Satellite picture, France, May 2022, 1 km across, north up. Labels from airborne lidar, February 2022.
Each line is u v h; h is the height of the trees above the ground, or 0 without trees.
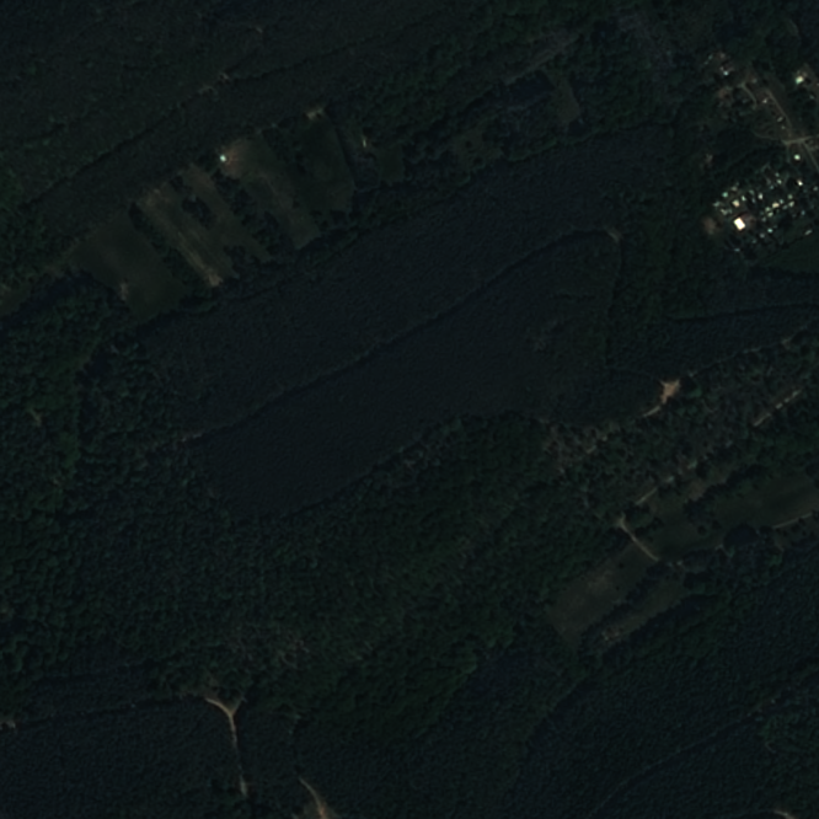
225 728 17
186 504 19
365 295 19
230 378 20
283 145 10
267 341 20
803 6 24
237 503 19
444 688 17
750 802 13
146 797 27
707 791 11
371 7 20
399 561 26
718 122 0
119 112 20
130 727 23
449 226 18
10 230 30
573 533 28
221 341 19
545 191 20
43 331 32
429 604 28
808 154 0
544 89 35
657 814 17
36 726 22
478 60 27
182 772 24
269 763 24
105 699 22
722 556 15
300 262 23
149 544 28
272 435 18
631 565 0
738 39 26
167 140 24
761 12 30
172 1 23
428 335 17
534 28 18
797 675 15
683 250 17
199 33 21
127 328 7
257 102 23
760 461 27
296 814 33
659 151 21
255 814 32
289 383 18
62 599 38
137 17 21
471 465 25
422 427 16
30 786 19
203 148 25
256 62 17
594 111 28
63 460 34
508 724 25
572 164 20
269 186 0
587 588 0
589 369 18
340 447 20
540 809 23
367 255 21
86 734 25
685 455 32
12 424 29
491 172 19
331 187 0
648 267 21
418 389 19
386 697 35
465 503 23
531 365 21
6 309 0
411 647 25
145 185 21
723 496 19
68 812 22
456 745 24
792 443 28
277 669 24
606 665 21
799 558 17
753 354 7
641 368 18
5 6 21
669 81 23
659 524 20
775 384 27
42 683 23
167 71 19
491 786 31
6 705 20
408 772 24
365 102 25
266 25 24
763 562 25
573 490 30
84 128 17
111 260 0
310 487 18
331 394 18
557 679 24
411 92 29
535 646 19
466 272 19
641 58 27
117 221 0
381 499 23
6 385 34
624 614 17
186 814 30
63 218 23
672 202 21
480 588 28
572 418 17
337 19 19
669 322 21
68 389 31
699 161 0
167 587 24
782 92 0
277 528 27
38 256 31
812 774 25
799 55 11
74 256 0
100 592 31
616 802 13
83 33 16
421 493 27
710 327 22
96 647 19
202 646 22
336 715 37
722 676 19
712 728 18
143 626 28
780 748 22
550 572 18
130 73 19
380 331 17
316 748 21
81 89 18
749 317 18
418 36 25
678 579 16
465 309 17
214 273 0
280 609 20
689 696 20
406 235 18
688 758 17
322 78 24
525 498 29
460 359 21
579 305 18
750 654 15
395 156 0
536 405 21
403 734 19
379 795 19
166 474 31
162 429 29
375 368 19
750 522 0
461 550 24
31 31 22
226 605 27
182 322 22
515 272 20
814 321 15
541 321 14
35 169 15
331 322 21
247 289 20
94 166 23
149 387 34
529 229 20
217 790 33
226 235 0
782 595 15
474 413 15
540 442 24
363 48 24
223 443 19
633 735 18
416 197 23
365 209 20
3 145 19
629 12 29
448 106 28
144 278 0
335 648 26
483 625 32
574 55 9
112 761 22
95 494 33
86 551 36
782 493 0
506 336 19
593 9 22
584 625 0
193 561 26
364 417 19
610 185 19
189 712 22
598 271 21
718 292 18
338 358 18
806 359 8
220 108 23
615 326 23
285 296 20
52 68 19
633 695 19
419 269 21
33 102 18
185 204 0
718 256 16
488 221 21
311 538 20
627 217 19
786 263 0
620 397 19
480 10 30
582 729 18
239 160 0
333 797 19
